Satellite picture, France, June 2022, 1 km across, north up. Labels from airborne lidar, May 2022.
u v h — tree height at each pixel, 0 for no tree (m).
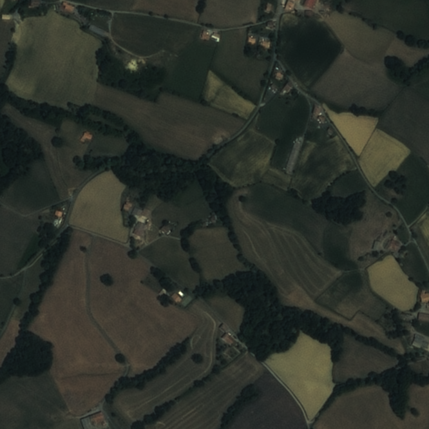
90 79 0
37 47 0
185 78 0
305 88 0
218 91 0
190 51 0
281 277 0
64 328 0
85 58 0
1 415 0
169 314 0
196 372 0
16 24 0
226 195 24
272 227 0
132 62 0
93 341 0
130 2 0
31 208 0
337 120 0
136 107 0
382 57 0
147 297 0
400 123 0
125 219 0
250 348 14
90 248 0
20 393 0
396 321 14
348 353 0
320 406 0
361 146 0
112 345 0
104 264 0
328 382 0
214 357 0
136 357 0
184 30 0
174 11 0
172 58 0
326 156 0
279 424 0
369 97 0
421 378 17
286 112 0
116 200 0
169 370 0
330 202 20
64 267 0
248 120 0
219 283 19
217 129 0
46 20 0
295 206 0
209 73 0
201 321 0
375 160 0
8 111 0
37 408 0
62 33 0
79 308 0
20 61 0
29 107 15
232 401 0
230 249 0
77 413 0
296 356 0
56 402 0
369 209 0
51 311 0
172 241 0
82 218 0
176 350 19
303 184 0
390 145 0
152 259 0
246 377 0
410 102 0
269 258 0
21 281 0
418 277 0
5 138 22
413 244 0
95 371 0
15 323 0
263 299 25
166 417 0
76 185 0
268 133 0
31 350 27
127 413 0
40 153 11
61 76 0
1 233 0
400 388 30
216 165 0
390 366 0
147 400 0
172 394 0
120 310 0
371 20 0
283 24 0
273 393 0
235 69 0
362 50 0
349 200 12
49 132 0
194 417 0
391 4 0
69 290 0
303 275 0
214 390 0
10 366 25
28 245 0
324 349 0
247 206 0
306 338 0
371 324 0
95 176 0
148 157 25
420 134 0
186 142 0
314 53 0
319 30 0
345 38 0
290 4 0
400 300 0
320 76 0
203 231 0
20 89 0
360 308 0
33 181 0
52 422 0
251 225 0
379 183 0
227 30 0
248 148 0
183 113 0
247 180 0
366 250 0
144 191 6
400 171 0
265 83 15
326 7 0
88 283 0
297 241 0
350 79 0
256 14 0
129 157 23
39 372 27
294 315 24
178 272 0
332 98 0
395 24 0
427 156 0
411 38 17
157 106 0
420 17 0
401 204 0
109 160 15
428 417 0
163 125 0
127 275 0
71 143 0
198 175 28
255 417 0
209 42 0
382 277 0
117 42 0
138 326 0
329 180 0
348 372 0
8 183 19
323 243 0
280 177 0
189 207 0
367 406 0
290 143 0
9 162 19
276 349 9
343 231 0
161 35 0
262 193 0
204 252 0
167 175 11
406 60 0
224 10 0
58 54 0
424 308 0
